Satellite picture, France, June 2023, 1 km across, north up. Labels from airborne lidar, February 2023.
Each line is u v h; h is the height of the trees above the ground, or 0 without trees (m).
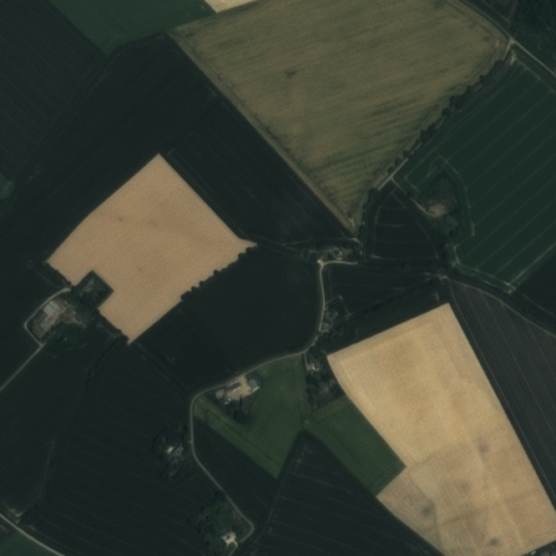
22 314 0
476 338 0
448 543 0
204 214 0
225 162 0
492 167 0
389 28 0
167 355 0
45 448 0
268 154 0
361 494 0
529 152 0
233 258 0
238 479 0
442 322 0
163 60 0
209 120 0
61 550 0
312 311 0
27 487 0
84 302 11
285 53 0
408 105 0
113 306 0
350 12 0
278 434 0
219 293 0
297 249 0
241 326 0
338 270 0
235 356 0
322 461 0
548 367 0
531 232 0
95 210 0
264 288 0
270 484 0
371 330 0
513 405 0
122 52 0
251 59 0
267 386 0
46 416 0
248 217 0
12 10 0
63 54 0
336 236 0
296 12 0
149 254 0
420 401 0
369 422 0
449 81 0
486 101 0
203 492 0
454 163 0
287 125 0
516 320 0
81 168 0
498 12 0
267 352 0
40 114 0
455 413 0
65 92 0
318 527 0
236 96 0
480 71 0
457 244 0
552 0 19
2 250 0
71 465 0
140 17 0
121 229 0
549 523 0
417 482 0
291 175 0
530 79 0
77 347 0
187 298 8
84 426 0
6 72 0
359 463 0
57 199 0
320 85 0
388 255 0
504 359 0
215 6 0
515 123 0
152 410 0
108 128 0
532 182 0
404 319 0
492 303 0
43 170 0
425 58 0
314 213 0
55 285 0
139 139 0
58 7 0
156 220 0
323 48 0
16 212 0
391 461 0
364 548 0
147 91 0
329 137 0
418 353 0
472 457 0
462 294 0
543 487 0
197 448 0
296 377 0
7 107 0
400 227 0
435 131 7
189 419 0
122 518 0
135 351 0
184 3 0
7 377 0
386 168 0
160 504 0
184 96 0
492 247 0
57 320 0
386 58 0
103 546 0
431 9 0
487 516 0
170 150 0
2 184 0
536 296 0
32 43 0
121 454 0
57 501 0
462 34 0
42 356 0
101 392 0
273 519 0
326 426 0
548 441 0
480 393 0
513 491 0
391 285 0
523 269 0
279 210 0
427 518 0
